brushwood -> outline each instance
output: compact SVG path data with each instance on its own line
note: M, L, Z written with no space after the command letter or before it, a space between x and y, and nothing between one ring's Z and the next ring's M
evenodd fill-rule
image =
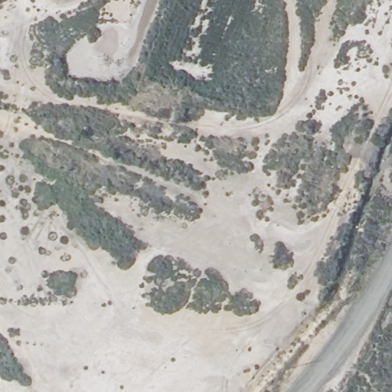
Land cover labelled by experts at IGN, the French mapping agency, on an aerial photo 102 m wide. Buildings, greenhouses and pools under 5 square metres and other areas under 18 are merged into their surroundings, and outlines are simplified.
M257 219L262 219L263 214L274 210L274 201L259 188L253 188L248 196L259 199L259 205L254 207L257 210Z
M0 381L17 381L26 386L32 383L32 378L24 372L8 341L0 335Z
M346 271L355 269L364 276L366 268L371 268L384 257L387 248L392 247L392 196L383 196L381 190L377 190L377 196L371 196L372 182L380 173L386 145L380 144L377 147L377 158L367 164L371 168L371 175L363 176L364 191L349 222L351 228L348 230L348 240L335 251L334 256L329 257L326 262L320 262L315 268L315 277L322 285L318 299L322 297L329 305L340 289L341 279Z
M337 0L329 23L332 31L329 41L337 41L343 37L348 26L360 24L366 17L367 5L372 5L374 0Z
M35 122L35 129L41 126L46 132L54 133L58 138L72 139L72 144L55 141L54 147L61 149L61 155L54 155L52 159L54 162L60 162L60 167L52 168L47 165L46 156L35 155L32 152L37 136L31 135L20 141L23 158L28 159L41 176L54 179L55 185L38 182L32 198L34 204L40 210L58 205L66 214L67 228L77 231L90 250L101 248L107 251L113 257L113 265L118 265L121 269L129 269L136 262L139 251L147 250L147 243L136 239L132 228L121 219L113 217L104 208L96 207L98 202L104 202L110 194L127 194L138 198L139 201L149 202L155 213L171 211L176 216L188 220L201 217L202 208L187 194L178 194L175 201L171 202L165 198L165 187L127 170L127 165L136 165L152 171L153 175L161 176L167 181L185 184L193 190L201 190L210 181L210 176L201 178L201 171L196 170L193 165L185 164L181 159L167 159L162 156L153 161L149 156L136 155L135 150L126 147L130 138L127 136L127 130L132 130L136 127L135 122L119 119L118 113L109 110L34 101L28 109L24 107L23 113ZM100 165L106 165L104 175L95 175L81 167L75 161L77 155L83 156L86 161L100 161Z
M222 279L216 269L205 269L207 277L202 279L196 289L193 288L193 279L179 286L173 285L167 291L153 288L150 291L149 306L159 314L173 314L182 308L193 309L201 314L219 312L220 302L227 299L230 303L225 306L225 311L234 312L236 315L256 314L260 308L259 300L254 299L253 294L245 289L240 289L236 294L230 292L227 280Z
M158 273L161 279L173 280L185 279L185 274L175 274L171 268L171 257L153 257L147 265L147 271Z
M392 392L392 288L387 292L386 302L372 329L371 337L361 349L360 357L355 364L355 374L349 377L346 392Z
M289 46L285 0L161 0L158 14L145 38L138 64L129 70L122 80L101 81L70 75L66 57L73 44L81 38L87 37L90 43L93 43L100 38L98 14L110 0L87 0L80 3L77 14L73 17L61 14L61 21L47 17L38 24L38 31L46 34L46 46L49 51L49 70L46 70L44 78L47 86L61 98L73 100L73 96L96 96L96 101L100 104L119 103L127 106L133 96L144 92L144 87L150 83L159 83L164 87L168 83L173 83L181 89L190 87L191 92L204 96L201 103L182 103L182 106L176 109L176 121L190 122L202 118L205 110L230 112L237 119L254 118L254 121L260 121L262 116L271 116L277 112L285 87L286 55ZM208 20L208 29L207 34L199 40L199 55L201 66L208 64L211 67L210 80L194 78L185 70L176 70L173 67L173 61L181 60L185 51L190 51L193 47L191 40L198 37L202 31L204 20Z
M214 153L216 161L220 167L231 168L237 173L248 173L253 170L254 164L243 162L245 156L239 150L237 153L227 153L219 150Z
M302 35L299 70L306 69L315 43L315 18L320 15L328 0L296 0Z
M323 202L329 207L340 193L338 181L341 173L349 170L352 161L351 153L346 152L343 147L345 138L349 132L355 132L355 144L363 144L374 124L374 119L371 118L358 119L357 115L351 115L349 112L340 121L335 122L331 127L331 138L325 141L315 141L314 133L309 130L309 122L306 119L297 122L294 132L283 133L279 141L273 145L271 152L263 159L263 173L266 176L271 175L271 170L277 173L277 194L282 193L283 188L294 187L297 179L302 179L296 204L292 207L294 210L317 205L318 202Z
M77 273L73 271L54 271L51 279L47 280L47 286L51 288L58 296L73 297L77 296Z
M335 58L334 67L349 63L348 52L352 47L357 47L357 60L371 63L371 44L358 40L343 43Z

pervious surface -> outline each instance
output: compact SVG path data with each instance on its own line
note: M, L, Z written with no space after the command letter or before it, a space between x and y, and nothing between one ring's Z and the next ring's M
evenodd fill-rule
M110 0L98 14L100 38L93 43L90 43L87 37L81 38L73 44L66 57L70 75L101 81L122 80L129 70L138 64L145 38L158 14L161 0Z
M381 190L383 196L392 196L392 138L386 145L380 173L372 182L371 196L377 196L377 190Z
M360 357L361 349L371 337L372 329L367 329L340 372L326 384L331 392L346 392L349 377L355 374L355 364Z
M208 64L201 66L199 55L199 40L207 34L208 29L208 20L204 20L202 31L198 37L191 40L193 47L190 51L185 51L181 60L173 61L173 67L176 70L185 70L194 78L210 80L211 67Z
M348 26L343 37L337 41L329 41L332 31L329 23L337 0L328 0L320 15L315 18L315 43L306 69L299 70L302 35L296 0L285 0L289 46L286 55L285 87L277 112L271 116L262 116L260 121L254 121L254 118L237 119L230 112L205 110L202 118L190 122L190 129L181 135L178 142L162 141L153 136L141 139L141 136L132 130L127 130L127 136L130 138L138 141L139 147L158 145L162 156L167 159L181 159L185 164L193 165L196 170L201 171L201 178L210 176L210 181L201 190L193 190L185 184L167 181L161 176L153 175L152 171L136 165L127 165L127 170L165 187L165 198L171 202L175 201L178 194L187 194L202 208L201 217L188 220L176 216L171 211L155 213L149 202L139 201L138 198L127 194L110 194L104 202L98 202L96 207L104 208L113 217L121 219L132 228L136 239L147 243L147 250L139 251L136 262L129 269L121 269L118 265L113 265L113 257L107 251L101 248L90 250L77 231L67 228L66 214L58 205L40 210L34 204L32 198L38 182L55 185L54 179L41 176L28 159L23 158L20 141L31 135L37 136L55 141L72 144L72 139L58 138L54 133L46 132L41 126L35 129L35 122L23 113L24 107L28 109L34 101L109 110L118 113L119 119L135 122L136 127L142 126L142 121L155 126L158 118L135 112L127 106L119 103L100 104L96 101L96 96L73 96L73 100L61 98L47 86L44 78L46 70L44 67L31 69L29 64L32 44L37 43L37 40L29 38L29 28L32 24L38 24L47 17L61 21L61 14L73 17L77 14L80 3L87 0L0 0L0 335L8 341L24 372L32 378L32 383L26 386L17 381L0 381L0 392L263 392L266 384L276 377L286 361L305 343L308 345L308 351L297 361L297 366L292 369L288 380L283 381L280 386L282 392L288 392L299 375L305 371L306 363L318 354L334 334L337 326L332 322L320 331L320 334L315 332L315 328L328 315L325 311L318 314L314 311L318 299L322 285L315 277L315 268L320 262L325 256L329 239L337 234L338 225L349 222L364 191L363 176L371 175L371 168L367 164L377 158L377 147L372 144L374 135L392 109L392 0L374 0L372 5L367 5L366 17L360 24ZM348 52L349 63L334 67L335 58L343 43L358 40L371 44L371 63L357 60L357 47L352 47ZM297 214L294 210L292 207L296 204L302 179L297 179L294 187L283 188L282 193L277 194L277 173L271 170L271 175L266 176L263 173L263 159L271 152L273 145L279 141L283 133L294 132L297 122L306 119L309 122L309 130L314 133L315 141L325 141L331 138L331 127L335 122L340 121L349 112L354 104L364 98L364 103L372 110L371 118L374 119L374 124L363 144L355 144L355 132L349 132L345 138L343 147L346 152L351 153L352 161L349 170L341 173L338 181L340 193L329 207L328 216L322 217L322 213L318 213L317 222L306 222L302 225L297 224ZM196 152L196 145L204 144L201 139L196 139L198 132L205 136L227 135L231 138L243 136L253 139L257 136L259 152L254 164L253 170L248 173L237 173L231 168L220 167L216 161L204 162L204 153ZM257 210L254 207L259 205L259 199L248 196L253 188L259 188L274 201L274 210L263 214L262 219L257 219ZM273 266L277 242L285 243L285 247L294 257L294 263L286 269L277 269ZM234 312L225 311L225 306L230 303L227 299L220 302L219 312L201 314L193 309L182 308L173 314L159 314L149 306L150 291L153 288L167 291L173 285L173 280L161 279L158 273L147 271L147 265L153 257L171 257L184 260L191 268L201 269L202 279L207 277L205 269L216 269L222 279L227 280L230 292L236 294L240 289L245 289L253 294L254 299L259 300L260 308L256 314L236 315ZM24 296L46 297L51 288L47 286L47 280L51 279L54 271L73 271L77 273L77 296L73 297L72 305L54 302L51 305L17 305L17 300L23 299Z

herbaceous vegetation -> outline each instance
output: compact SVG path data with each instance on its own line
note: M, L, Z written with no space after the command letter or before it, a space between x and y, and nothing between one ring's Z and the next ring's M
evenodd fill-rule
M374 135L372 144L377 147L380 144L386 145L392 138L392 109Z
M173 285L179 286L193 279L193 288L196 289L202 279L201 269L191 268L184 260L171 257L171 268L175 274L185 274L185 279L173 280Z
M326 262L329 257L334 256L335 251L348 240L348 230L351 228L349 222L338 225L337 234L329 239L325 256L320 262Z
M95 175L104 175L106 165L100 165L100 161L86 161L83 156L77 155L75 161L81 167Z
M72 305L73 297L58 296L51 288L46 297L24 296L23 299L17 300L17 305L51 305L54 302Z
M182 103L201 103L204 96L191 92L190 87L181 89L173 83L168 83L164 87L159 83L150 83L144 87L144 92L133 96L127 106L135 112L158 118L155 126L142 121L142 126L136 127L132 130L141 136L141 139L153 136L162 141L178 142L181 135L190 129L190 122L176 121L176 109L182 106Z
M61 155L61 149L54 147L55 141L37 136L32 152L35 155L46 156L47 165L52 168L60 167L60 162L54 162L52 159L54 155Z
M277 269L286 269L294 263L294 257L285 247L285 243L277 242L273 266Z
M317 222L318 213L322 213L322 217L328 216L329 207L323 202L318 202L317 205L294 210L297 214L297 224L302 225L306 222Z
M253 139L243 136L231 138L227 135L205 136L198 132L196 139L201 139L204 144L196 145L196 152L204 153L204 162L216 161L214 153L219 150L227 153L237 153L239 150L245 156L243 162L254 164L259 152L257 136Z
M38 31L38 24L32 24L29 28L29 38L37 40L37 43L32 44L29 64L31 69L44 67L46 70L49 70L49 51L46 46L46 34Z
M328 315L315 328L315 332L320 334L320 331L332 322L343 306L363 299L364 289L371 286L383 268L384 257L371 268L366 268L364 276L355 269L346 271L341 279L340 289L329 305L322 297L318 299L314 311L318 314L325 311Z
M308 345L305 343L286 361L276 377L266 384L263 392L282 392L280 386L283 381L288 380L292 369L297 366L297 361L308 351Z
M139 147L138 141L130 138L126 147L135 150L136 155L149 156L153 161L162 156L158 145Z
M372 110L364 103L364 98L354 104L349 112L351 115L357 115L358 119L371 118Z

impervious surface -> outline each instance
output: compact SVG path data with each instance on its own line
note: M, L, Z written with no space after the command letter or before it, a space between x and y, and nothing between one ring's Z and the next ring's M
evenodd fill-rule
M326 384L340 372L367 329L372 329L386 302L387 292L392 288L392 247L387 248L384 257L383 268L371 286L364 289L363 299L343 306L332 322L337 326L334 334L318 354L306 363L305 371L299 375L288 392L331 392Z

